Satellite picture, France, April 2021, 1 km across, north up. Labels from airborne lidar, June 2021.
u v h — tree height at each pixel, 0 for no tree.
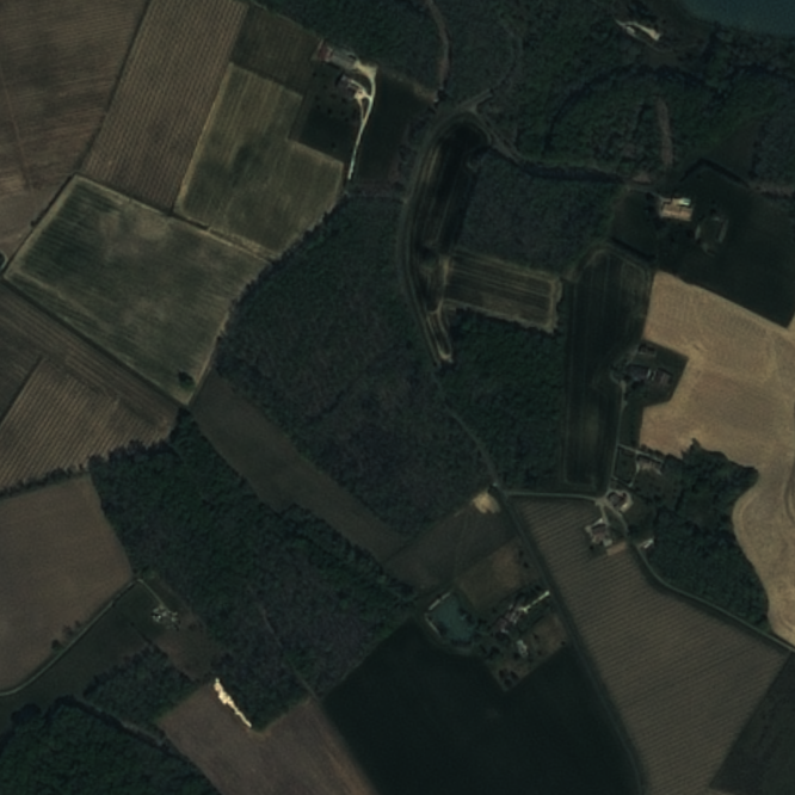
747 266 0
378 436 12
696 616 0
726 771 0
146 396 0
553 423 13
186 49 0
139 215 0
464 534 0
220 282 0
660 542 15
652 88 19
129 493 17
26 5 0
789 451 0
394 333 13
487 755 0
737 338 0
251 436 0
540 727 0
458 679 0
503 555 0
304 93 0
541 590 9
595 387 0
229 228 0
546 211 14
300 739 0
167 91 0
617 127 12
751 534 0
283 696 18
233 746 0
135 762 21
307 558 13
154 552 15
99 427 0
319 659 15
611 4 21
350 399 16
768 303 0
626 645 0
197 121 0
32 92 0
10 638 0
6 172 0
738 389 0
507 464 16
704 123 30
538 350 16
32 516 0
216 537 22
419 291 0
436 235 0
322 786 0
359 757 0
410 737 0
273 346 11
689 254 0
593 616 0
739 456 0
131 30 0
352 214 18
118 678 16
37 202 0
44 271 0
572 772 0
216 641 13
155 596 0
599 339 0
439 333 0
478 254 11
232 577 24
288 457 0
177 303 0
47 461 0
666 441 0
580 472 0
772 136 18
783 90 27
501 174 18
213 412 0
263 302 14
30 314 0
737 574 16
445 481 15
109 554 0
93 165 0
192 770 10
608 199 22
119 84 0
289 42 0
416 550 0
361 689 0
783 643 0
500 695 0
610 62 13
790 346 0
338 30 19
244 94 0
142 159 0
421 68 17
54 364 0
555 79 23
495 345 16
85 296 0
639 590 0
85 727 22
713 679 0
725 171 10
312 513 8
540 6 18
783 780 0
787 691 0
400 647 0
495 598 0
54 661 0
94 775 23
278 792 0
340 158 0
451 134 0
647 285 0
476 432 14
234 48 0
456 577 0
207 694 0
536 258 13
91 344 0
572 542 0
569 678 0
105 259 0
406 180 17
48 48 0
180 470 23
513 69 14
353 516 0
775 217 0
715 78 22
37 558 0
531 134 18
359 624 14
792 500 0
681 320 0
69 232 0
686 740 0
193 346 0
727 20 0
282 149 0
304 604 17
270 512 12
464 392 17
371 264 15
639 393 12
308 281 16
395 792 0
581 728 0
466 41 19
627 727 0
